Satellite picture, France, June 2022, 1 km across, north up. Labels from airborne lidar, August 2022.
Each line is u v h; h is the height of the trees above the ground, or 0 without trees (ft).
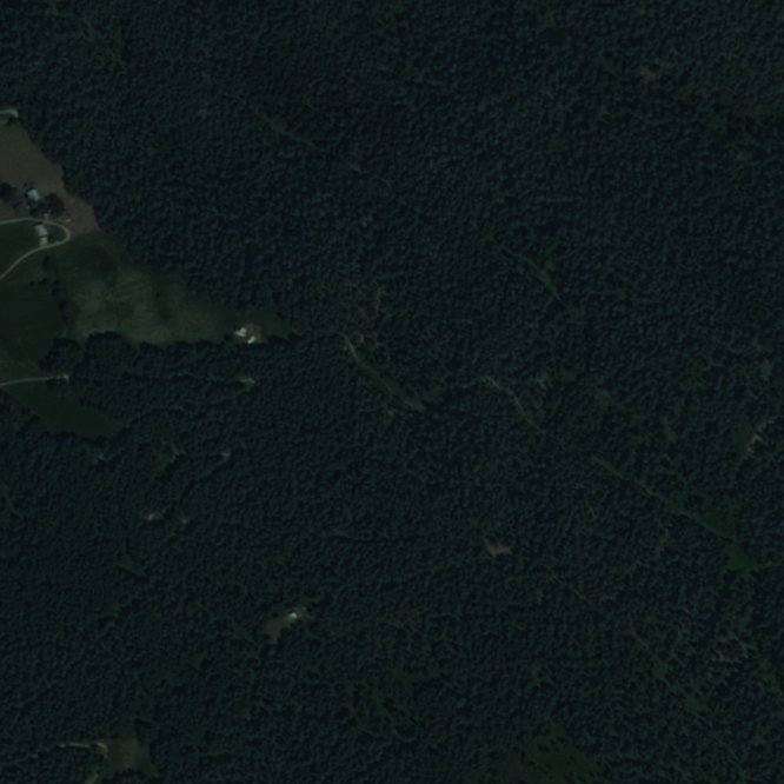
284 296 98
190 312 0
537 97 85
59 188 0
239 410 53
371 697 42
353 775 78
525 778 0
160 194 89
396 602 66
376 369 37
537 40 31
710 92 81
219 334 0
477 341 75
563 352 31
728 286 62
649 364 74
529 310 114
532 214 86
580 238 37
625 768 78
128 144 69
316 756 104
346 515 95
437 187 82
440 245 93
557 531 88
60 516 101
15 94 63
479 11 69
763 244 72
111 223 82
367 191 82
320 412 95
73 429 0
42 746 74
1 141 0
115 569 89
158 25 79
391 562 88
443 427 114
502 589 101
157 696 70
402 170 77
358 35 72
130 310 0
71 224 0
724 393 85
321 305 94
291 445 90
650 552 103
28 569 94
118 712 82
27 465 91
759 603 79
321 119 80
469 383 47
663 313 69
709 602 113
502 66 128
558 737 0
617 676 66
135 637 72
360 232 25
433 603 93
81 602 80
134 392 87
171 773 67
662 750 99
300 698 78
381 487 41
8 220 0
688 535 94
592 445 40
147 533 70
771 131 58
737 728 80
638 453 30
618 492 129
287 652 90
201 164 98
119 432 0
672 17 87
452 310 106
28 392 0
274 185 32
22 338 0
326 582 92
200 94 94
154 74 98
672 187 73
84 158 57
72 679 73
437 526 94
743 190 39
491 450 107
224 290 100
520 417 91
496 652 98
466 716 96
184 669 85
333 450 76
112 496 84
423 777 87
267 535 80
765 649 114
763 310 54
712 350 105
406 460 106
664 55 75
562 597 107
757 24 30
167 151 47
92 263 0
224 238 82
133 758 0
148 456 95
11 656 84
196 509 81
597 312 69
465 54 68
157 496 96
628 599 84
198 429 72
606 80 128
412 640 86
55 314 0
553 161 116
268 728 99
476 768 84
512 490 57
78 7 63
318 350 73
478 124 34
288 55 74
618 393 106
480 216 52
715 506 33
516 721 85
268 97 72
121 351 80
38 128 56
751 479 70
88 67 62
